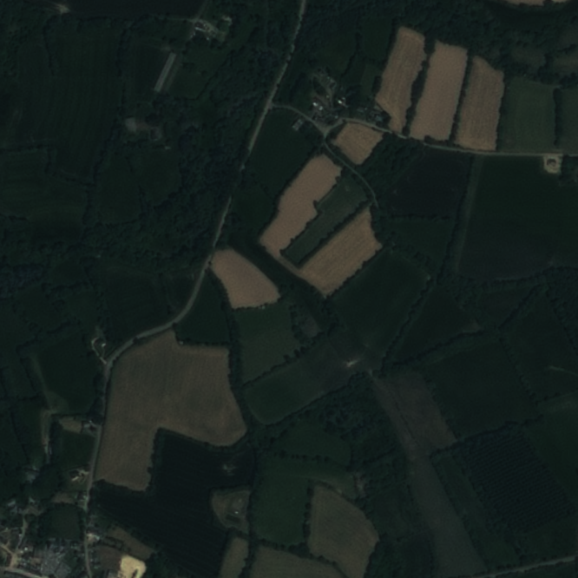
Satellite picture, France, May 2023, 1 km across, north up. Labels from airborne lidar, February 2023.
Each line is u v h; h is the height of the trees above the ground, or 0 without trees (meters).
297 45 13
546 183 0
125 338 0
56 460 15
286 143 0
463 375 0
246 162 12
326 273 0
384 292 0
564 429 0
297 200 0
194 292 0
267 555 0
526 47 8
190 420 0
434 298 0
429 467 0
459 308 0
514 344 0
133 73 0
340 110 14
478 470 33
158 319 0
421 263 13
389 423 11
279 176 0
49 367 0
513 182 0
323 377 0
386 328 0
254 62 7
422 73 8
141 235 14
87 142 0
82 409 0
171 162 0
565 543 0
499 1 6
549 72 8
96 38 0
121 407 0
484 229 0
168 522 0
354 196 0
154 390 0
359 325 0
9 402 18
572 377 0
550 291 13
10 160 0
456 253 10
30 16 16
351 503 8
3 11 16
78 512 11
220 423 0
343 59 0
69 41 0
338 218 0
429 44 14
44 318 0
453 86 0
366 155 0
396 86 0
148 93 0
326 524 0
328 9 8
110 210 0
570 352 0
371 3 8
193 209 27
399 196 0
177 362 0
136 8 0
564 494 11
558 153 0
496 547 0
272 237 0
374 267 0
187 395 0
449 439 0
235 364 14
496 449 30
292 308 8
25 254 8
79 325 14
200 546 0
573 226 0
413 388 0
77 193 0
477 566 0
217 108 16
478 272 0
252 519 12
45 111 0
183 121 20
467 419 0
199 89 0
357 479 18
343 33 9
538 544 0
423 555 0
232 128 13
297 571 0
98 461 0
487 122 0
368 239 0
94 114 0
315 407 7
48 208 0
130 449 0
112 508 0
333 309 14
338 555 0
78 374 0
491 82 0
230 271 0
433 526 0
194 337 0
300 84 15
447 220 12
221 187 26
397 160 8
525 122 0
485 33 19
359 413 9
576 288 18
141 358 0
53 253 9
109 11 0
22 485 7
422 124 0
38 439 0
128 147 10
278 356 0
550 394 0
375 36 0
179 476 0
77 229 0
